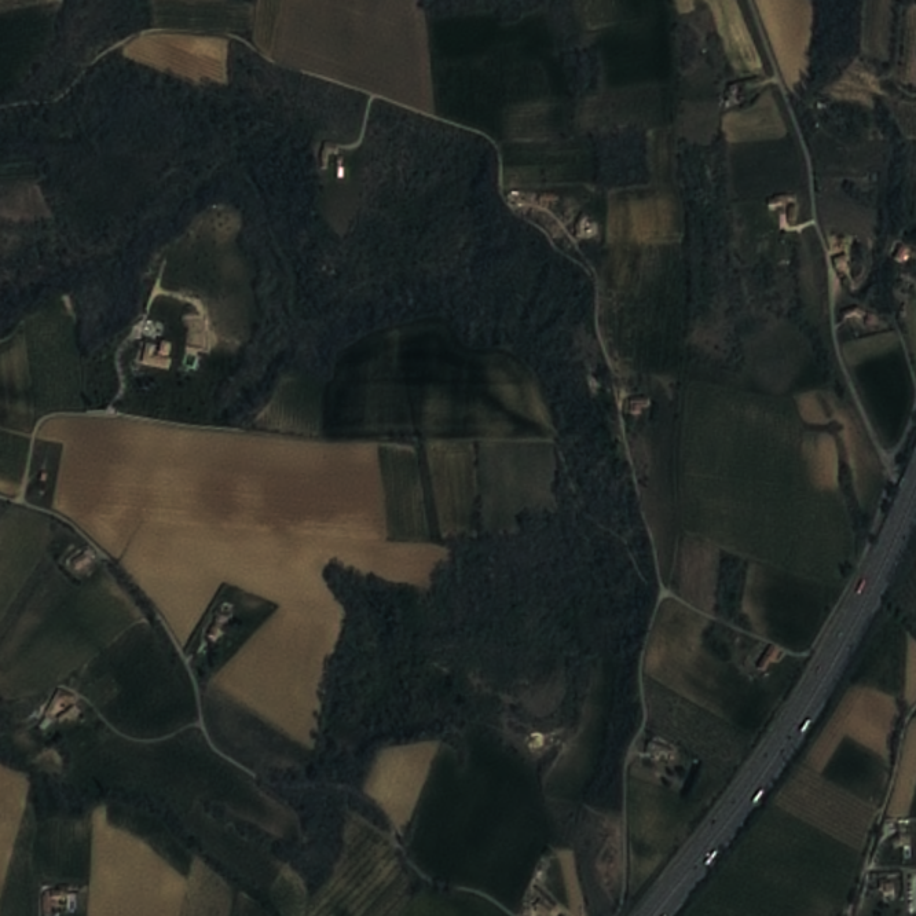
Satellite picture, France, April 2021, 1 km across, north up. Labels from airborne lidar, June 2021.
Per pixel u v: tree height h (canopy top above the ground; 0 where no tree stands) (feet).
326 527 0
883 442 0
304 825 55
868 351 0
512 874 0
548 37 0
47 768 0
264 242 72
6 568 0
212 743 0
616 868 0
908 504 0
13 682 0
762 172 0
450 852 0
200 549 0
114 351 23
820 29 35
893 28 39
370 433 0
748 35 0
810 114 36
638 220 0
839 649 0
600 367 19
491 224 42
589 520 34
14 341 0
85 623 0
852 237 0
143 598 31
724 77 28
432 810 0
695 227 21
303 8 0
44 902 0
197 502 0
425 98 0
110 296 71
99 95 53
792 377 0
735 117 0
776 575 0
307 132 19
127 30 37
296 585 0
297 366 52
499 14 32
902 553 26
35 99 52
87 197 20
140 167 26
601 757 32
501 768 0
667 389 0
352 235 34
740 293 43
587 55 47
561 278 41
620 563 30
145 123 50
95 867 0
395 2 0
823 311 0
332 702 56
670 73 0
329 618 0
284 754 0
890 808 0
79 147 25
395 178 24
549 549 36
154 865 0
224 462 0
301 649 0
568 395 43
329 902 0
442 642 30
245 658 0
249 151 36
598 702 0
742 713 0
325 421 0
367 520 0
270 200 80
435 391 0
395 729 43
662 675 0
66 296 54
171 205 83
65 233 41
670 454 0
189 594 0
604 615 59
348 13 0
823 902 0
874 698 0
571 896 0
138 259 56
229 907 0
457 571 43
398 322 26
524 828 0
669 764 0
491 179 38
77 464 0
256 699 0
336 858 40
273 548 0
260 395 66
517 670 27
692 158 21
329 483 0
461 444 0
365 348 0
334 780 32
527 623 35
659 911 0
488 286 51
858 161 0
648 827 0
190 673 0
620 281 0
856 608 0
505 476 0
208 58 0
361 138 0
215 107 58
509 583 28
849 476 37
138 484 0
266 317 43
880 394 0
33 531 0
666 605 0
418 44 0
